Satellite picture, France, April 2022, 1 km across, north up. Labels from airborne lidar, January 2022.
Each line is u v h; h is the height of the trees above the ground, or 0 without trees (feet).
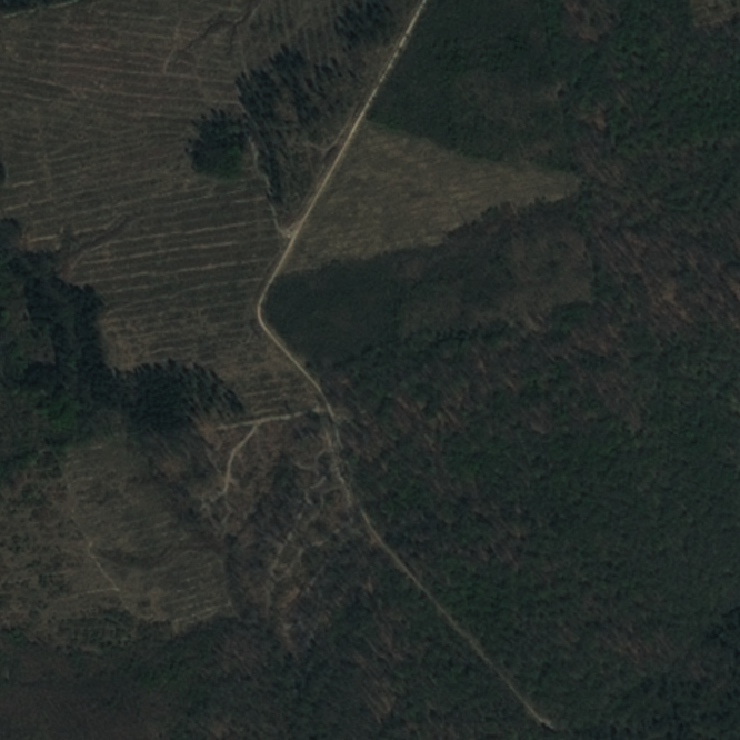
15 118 0
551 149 0
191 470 61
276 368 0
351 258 0
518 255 0
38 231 0
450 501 87
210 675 72
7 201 0
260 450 0
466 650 74
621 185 76
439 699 69
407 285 43
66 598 0
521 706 68
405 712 80
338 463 0
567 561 86
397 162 0
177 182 0
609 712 68
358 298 42
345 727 88
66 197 0
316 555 83
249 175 0
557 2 78
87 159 0
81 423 68
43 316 87
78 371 78
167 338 0
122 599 0
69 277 0
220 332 0
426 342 63
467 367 73
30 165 0
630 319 98
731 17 0
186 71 0
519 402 84
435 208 0
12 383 81
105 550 0
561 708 77
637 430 65
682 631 77
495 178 0
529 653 82
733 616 57
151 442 94
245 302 0
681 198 70
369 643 76
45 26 0
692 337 68
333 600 70
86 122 0
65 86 0
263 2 0
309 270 0
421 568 76
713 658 75
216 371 0
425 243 0
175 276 0
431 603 80
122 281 0
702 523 68
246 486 104
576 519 72
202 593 0
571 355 87
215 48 0
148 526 0
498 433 69
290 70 87
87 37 0
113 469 0
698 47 73
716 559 77
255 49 0
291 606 0
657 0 89
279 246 0
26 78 0
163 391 73
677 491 76
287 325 41
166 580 0
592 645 76
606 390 86
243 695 70
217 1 0
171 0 0
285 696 77
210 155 74
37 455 36
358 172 0
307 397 0
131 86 0
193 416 66
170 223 0
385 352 71
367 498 83
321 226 0
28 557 0
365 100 0
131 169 0
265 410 0
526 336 75
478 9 50
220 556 0
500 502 101
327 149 0
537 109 60
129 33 0
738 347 85
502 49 39
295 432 0
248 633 70
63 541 0
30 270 68
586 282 0
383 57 0
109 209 0
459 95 0
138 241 0
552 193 0
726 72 69
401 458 91
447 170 0
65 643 0
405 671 80
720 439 67
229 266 0
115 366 0
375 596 24
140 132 0
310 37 0
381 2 81
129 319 0
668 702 88
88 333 83
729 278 80
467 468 76
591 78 79
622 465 70
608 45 85
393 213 0
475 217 0
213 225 0
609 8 97
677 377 62
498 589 82
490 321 0
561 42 77
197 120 0
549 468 62
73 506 0
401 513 88
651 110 72
